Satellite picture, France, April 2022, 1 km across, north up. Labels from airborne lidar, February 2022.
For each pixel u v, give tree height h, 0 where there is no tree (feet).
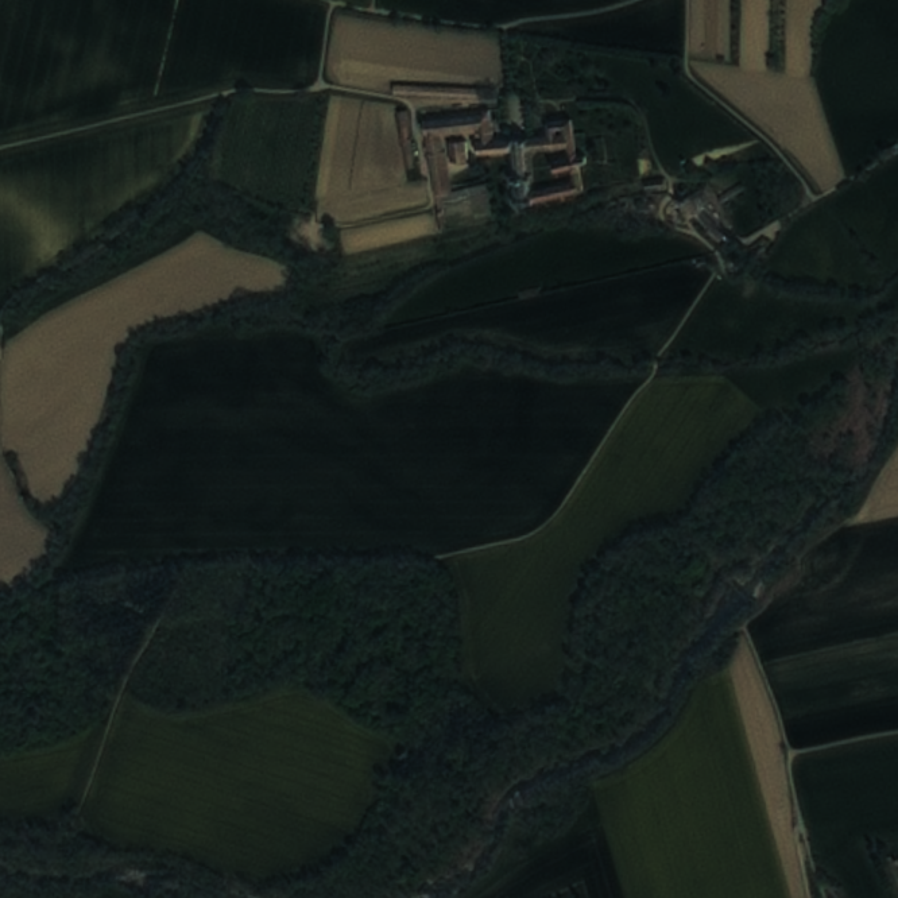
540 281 0
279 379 0
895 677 0
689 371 0
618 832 0
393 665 95
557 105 0
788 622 0
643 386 0
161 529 0
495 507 0
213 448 0
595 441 0
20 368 0
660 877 0
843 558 0
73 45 0
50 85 0
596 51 19
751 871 0
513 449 0
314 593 84
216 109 33
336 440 0
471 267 0
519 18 0
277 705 0
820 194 0
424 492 0
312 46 0
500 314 0
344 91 0
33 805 0
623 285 0
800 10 0
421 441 0
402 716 60
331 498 0
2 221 0
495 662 0
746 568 54
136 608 76
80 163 0
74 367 0
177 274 0
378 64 0
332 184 0
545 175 0
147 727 0
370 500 0
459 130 0
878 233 0
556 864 0
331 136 0
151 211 57
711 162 33
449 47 0
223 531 0
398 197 0
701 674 60
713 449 0
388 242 0
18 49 0
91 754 0
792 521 70
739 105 0
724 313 0
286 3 0
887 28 0
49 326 0
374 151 0
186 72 0
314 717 0
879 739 0
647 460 0
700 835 0
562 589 0
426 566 64
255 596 93
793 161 0
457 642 61
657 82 0
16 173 0
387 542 0
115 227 54
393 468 0
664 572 88
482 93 46
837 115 0
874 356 66
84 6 0
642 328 0
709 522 63
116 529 0
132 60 0
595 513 0
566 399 0
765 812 0
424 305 0
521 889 0
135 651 65
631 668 80
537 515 0
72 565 0
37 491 0
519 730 82
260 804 0
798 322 0
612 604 78
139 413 0
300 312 60
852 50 0
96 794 0
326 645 94
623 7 0
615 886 0
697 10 0
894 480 0
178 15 0
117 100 0
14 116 0
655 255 0
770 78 0
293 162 0
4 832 57
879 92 0
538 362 51
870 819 0
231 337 0
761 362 55
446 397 0
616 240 0
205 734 0
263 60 0
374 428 0
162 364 0
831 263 0
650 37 0
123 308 0
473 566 0
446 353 43
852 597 0
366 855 36
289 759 0
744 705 0
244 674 78
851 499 53
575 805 64
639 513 0
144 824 0
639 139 20
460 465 0
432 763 63
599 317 0
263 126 0
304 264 70
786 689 0
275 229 48
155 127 0
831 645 0
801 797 0
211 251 0
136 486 0
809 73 0
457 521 0
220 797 0
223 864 0
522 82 41
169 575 62
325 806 0
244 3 0
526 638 0
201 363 0
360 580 76
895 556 0
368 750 0
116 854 59
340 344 22
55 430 0
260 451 0
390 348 0
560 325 0
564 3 0
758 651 0
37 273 0
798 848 0
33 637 114
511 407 0
